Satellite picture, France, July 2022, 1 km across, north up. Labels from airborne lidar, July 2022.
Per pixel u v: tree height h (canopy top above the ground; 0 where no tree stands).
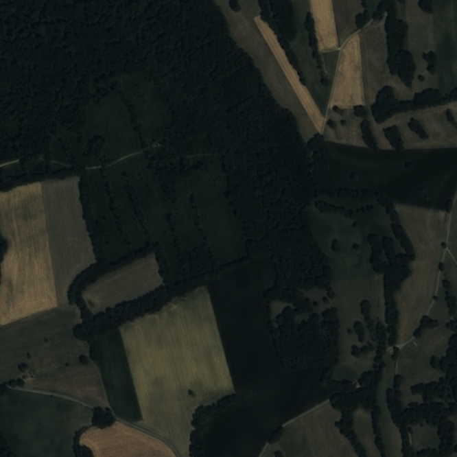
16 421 0
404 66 21
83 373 0
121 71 21
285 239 23
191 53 21
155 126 0
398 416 17
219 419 0
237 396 11
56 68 21
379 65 0
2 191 20
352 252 0
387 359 0
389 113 15
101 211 0
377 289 0
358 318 0
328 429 0
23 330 0
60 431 0
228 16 0
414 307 0
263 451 0
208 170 18
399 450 0
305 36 0
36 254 0
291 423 0
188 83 18
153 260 0
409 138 0
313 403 0
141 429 0
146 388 0
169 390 0
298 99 0
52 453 0
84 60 24
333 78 0
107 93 18
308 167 12
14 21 24
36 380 0
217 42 19
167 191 25
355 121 0
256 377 0
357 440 13
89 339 17
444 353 0
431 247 0
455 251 0
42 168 6
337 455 0
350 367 0
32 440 0
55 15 21
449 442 15
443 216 0
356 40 0
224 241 0
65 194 0
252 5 0
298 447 0
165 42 19
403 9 0
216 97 16
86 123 14
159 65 18
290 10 18
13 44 21
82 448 18
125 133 0
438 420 13
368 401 19
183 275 23
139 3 18
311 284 22
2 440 14
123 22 17
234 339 0
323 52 0
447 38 0
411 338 0
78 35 21
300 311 18
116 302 0
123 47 21
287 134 8
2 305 0
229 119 22
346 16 0
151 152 8
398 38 22
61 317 0
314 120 0
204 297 0
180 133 21
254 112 17
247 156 20
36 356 0
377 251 17
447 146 0
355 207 0
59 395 0
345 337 0
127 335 0
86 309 14
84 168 11
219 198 0
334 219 0
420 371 0
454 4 0
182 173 23
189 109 26
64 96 12
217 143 17
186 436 0
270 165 7
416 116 0
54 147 0
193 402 0
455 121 7
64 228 0
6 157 23
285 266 14
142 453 0
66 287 0
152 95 0
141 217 22
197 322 0
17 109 10
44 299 0
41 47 24
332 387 15
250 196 23
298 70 13
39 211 0
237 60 16
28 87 18
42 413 0
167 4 20
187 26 21
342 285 0
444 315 0
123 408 0
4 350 0
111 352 0
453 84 0
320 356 23
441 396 16
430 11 17
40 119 9
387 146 0
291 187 12
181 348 0
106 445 0
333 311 15
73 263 0
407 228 0
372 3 0
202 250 12
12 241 0
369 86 0
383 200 22
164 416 0
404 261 19
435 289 0
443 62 0
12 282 0
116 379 0
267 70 0
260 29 0
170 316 0
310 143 14
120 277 0
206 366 0
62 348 0
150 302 20
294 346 25
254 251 23
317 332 24
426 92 19
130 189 25
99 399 0
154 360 0
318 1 0
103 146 25
